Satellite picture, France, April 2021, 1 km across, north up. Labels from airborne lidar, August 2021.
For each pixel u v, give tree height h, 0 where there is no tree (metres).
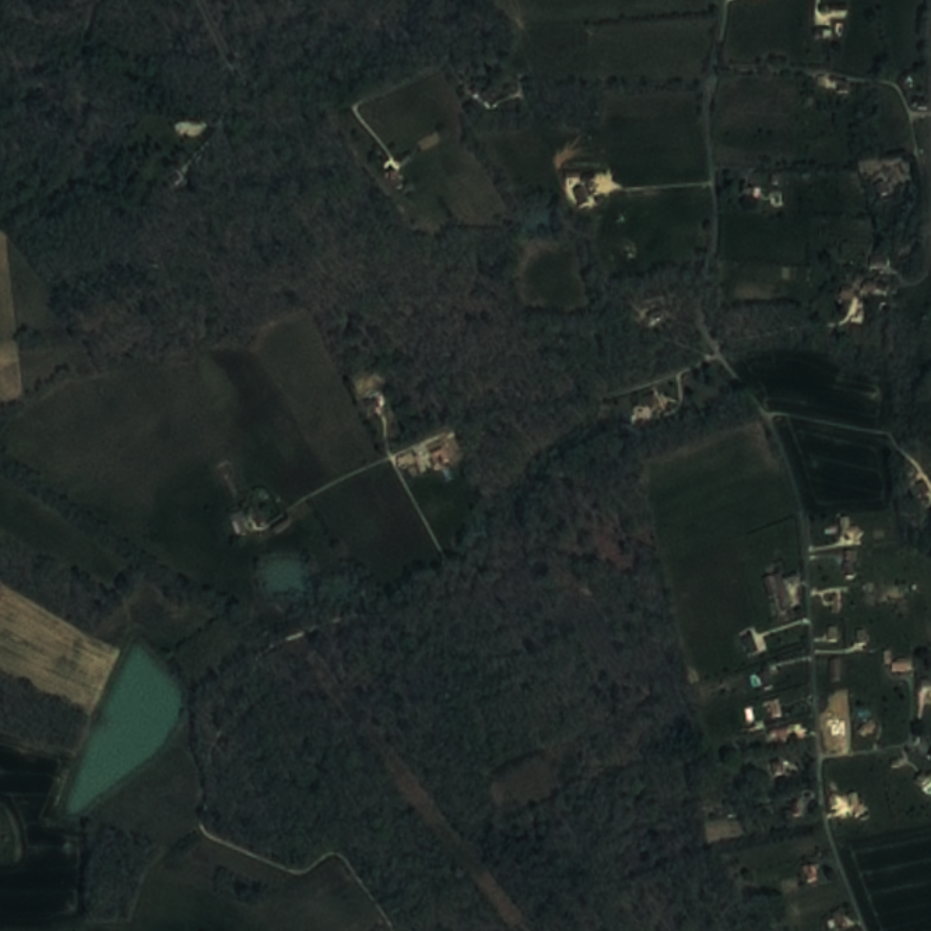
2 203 22
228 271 15
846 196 0
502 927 15
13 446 0
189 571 0
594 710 12
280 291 14
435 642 22
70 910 0
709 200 0
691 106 0
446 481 0
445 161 0
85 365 0
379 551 0
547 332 23
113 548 11
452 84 15
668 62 0
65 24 11
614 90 13
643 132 0
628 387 20
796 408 0
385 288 13
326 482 0
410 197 6
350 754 17
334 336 11
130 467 0
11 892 0
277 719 22
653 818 13
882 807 0
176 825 0
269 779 18
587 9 0
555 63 0
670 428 20
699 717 16
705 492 0
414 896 21
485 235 15
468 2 14
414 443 14
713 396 0
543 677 13
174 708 0
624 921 19
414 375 17
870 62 0
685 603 0
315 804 22
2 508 0
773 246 0
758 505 0
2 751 0
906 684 0
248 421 0
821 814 18
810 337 22
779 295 0
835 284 8
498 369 13
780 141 0
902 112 0
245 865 0
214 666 0
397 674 18
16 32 18
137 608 0
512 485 25
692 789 14
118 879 16
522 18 0
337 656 10
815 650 0
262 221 19
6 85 10
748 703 0
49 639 0
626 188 0
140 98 20
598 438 23
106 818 0
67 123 9
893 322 13
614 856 9
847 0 0
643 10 0
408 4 18
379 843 19
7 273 0
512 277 13
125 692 0
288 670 11
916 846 0
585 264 11
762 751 13
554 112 12
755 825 18
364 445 0
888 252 22
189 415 0
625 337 22
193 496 0
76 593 16
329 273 16
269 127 22
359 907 0
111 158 15
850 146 8
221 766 18
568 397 18
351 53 17
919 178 9
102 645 0
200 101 16
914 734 7
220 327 17
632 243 0
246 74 16
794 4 0
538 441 26
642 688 8
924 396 18
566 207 17
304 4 22
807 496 0
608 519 22
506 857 18
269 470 0
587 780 8
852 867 0
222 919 0
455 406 21
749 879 8
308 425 0
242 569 0
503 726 15
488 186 0
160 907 0
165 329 17
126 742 0
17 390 0
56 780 0
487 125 17
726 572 0
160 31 13
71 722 19
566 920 20
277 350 0
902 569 0
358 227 18
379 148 7
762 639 0
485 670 8
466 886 16
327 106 15
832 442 0
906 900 0
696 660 0
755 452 0
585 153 0
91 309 23
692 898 26
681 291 17
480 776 15
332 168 11
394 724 15
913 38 0
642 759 11
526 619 14
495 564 19
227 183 11
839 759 0
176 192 7
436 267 15
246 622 18
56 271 17
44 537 0
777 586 0
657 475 0
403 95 0
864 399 0
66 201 12
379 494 0
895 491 15
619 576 19
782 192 0
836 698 0
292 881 0
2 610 0
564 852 14
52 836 0
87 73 21
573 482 15
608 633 16
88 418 0
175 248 12
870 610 0
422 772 17
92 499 0
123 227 17
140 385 0
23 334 11
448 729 20
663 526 0
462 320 7
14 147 23
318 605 11
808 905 0
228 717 17
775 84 0
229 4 9
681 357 21
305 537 0
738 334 21
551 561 17
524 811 17
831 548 0
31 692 21
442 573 20
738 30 0
